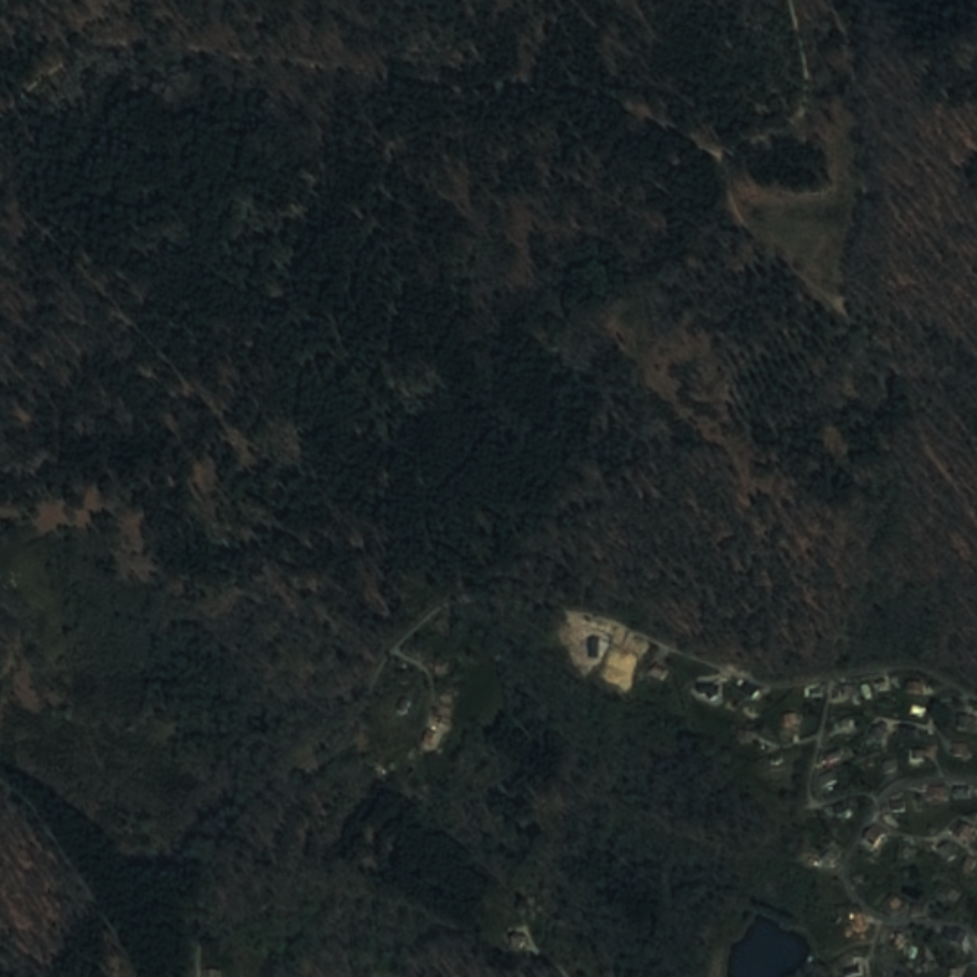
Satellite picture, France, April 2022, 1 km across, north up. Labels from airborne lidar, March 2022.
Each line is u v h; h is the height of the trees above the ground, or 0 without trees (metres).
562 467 27
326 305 30
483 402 14
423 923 20
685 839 23
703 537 21
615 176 25
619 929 15
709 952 27
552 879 20
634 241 20
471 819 25
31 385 8
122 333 27
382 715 0
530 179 27
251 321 28
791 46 10
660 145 24
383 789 18
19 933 31
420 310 25
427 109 28
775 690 0
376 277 28
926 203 27
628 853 25
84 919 24
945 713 16
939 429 28
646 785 25
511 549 25
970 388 25
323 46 17
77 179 37
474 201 22
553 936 7
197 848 21
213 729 9
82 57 12
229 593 24
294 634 26
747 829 27
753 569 27
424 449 21
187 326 24
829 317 28
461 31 19
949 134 25
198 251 21
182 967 29
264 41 12
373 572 22
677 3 18
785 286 26
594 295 27
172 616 18
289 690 16
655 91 22
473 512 27
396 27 21
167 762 6
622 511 19
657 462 26
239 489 19
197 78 34
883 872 0
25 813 31
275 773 19
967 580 32
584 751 24
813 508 32
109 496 29
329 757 19
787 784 0
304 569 20
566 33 20
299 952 20
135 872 26
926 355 24
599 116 20
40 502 15
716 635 33
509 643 28
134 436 25
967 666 28
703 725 0
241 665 17
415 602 7
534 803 30
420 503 28
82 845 27
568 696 27
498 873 25
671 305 28
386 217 24
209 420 33
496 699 0
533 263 21
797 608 23
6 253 25
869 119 33
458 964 33
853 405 20
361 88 20
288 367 25
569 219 21
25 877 31
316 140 20
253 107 27
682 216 19
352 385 35
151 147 25
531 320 23
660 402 7
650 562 27
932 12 19
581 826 27
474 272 17
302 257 26
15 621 26
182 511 28
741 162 20
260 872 24
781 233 0
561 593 21
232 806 13
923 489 29
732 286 23
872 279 30
